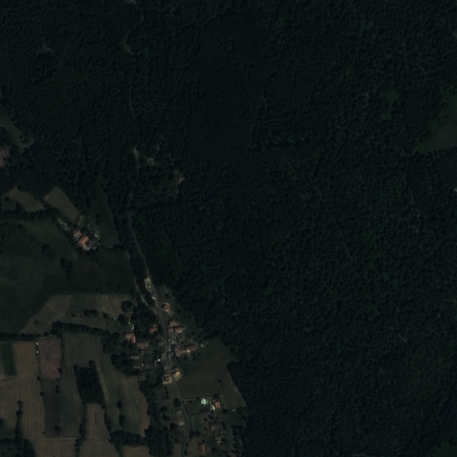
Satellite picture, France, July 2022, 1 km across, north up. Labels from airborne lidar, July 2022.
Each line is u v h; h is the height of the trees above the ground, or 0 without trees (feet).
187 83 65
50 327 0
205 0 54
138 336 55
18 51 103
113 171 54
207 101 84
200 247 89
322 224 45
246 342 87
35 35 82
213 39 96
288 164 61
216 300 59
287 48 68
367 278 51
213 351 0
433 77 67
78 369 46
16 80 98
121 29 62
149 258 31
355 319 55
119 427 0
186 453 30
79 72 75
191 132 87
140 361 0
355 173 42
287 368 62
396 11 59
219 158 69
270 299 53
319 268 38
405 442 57
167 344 0
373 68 54
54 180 52
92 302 0
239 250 76
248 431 78
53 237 0
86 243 23
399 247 50
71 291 0
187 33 43
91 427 0
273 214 84
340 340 54
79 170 32
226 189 94
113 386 0
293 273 41
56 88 67
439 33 60
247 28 90
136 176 53
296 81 81
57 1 57
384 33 57
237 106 76
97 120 66
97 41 50
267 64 88
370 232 47
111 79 73
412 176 74
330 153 63
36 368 0
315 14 22
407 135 39
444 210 53
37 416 0
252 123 75
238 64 100
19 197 0
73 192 50
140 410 0
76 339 0
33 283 0
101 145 66
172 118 91
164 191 39
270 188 78
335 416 74
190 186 47
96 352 0
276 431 78
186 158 85
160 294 0
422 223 30
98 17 61
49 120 80
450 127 0
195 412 0
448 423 86
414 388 54
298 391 104
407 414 53
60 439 0
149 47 37
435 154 29
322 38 83
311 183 42
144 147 64
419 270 42
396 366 67
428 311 40
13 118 27
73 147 44
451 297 32
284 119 73
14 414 0
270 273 37
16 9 72
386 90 35
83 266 0
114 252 22
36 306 0
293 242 45
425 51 43
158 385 31
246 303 46
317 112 29
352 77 47
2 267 0
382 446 86
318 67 69
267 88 77
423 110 46
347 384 38
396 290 49
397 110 33
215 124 85
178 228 67
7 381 0
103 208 0
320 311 56
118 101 73
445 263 75
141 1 52
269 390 66
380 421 54
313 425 91
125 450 0
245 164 74
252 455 103
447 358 77
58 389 22
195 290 67
